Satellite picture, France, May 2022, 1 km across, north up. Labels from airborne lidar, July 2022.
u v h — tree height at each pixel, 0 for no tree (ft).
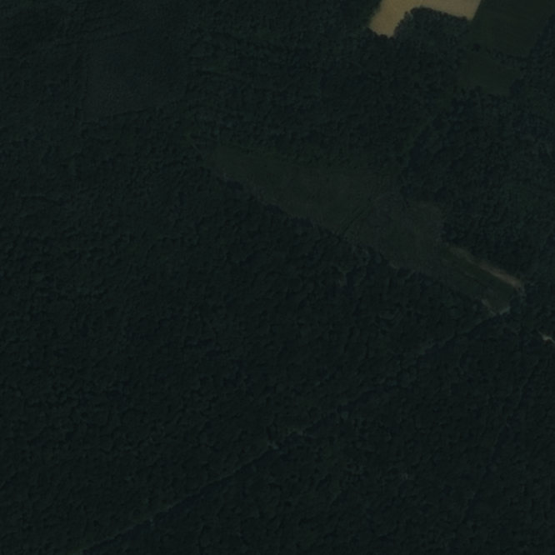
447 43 89
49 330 85
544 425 94
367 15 75
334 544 90
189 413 90
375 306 107
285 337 86
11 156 86
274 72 90
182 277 87
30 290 87
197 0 67
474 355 107
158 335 87
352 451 105
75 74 74
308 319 104
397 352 102
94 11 72
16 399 94
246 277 105
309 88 94
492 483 99
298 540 108
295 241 102
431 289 102
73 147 81
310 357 104
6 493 90
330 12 84
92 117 65
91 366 72
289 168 0
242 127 82
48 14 71
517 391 102
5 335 54
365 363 88
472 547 101
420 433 74
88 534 90
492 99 41
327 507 114
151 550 104
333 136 74
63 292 51
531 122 75
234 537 86
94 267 73
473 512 83
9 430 93
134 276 69
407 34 88
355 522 95
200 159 81
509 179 57
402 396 106
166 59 70
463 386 116
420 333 97
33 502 80
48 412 87
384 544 103
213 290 95
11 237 83
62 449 83
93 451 87
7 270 67
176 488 89
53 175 79
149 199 56
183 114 77
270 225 89
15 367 86
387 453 100
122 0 70
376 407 87
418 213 0
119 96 70
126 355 83
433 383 105
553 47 58
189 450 93
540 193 91
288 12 88
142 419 94
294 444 104
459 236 88
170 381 103
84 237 77
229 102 91
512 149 73
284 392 103
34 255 89
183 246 85
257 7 84
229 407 87
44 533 84
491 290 0
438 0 0
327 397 104
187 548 96
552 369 70
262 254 107
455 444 96
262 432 103
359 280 71
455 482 100
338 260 90
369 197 0
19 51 75
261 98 85
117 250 76
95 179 81
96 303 71
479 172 85
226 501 104
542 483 103
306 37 91
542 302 72
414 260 0
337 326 92
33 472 95
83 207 59
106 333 75
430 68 97
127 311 68
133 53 56
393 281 74
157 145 71
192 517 113
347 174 0
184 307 88
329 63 40
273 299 106
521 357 91
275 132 90
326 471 107
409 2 0
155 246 83
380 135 101
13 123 82
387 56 91
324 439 105
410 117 85
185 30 63
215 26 72
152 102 68
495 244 44
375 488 78
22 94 73
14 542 79
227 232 91
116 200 70
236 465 92
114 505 86
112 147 78
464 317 86
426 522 105
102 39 57
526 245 83
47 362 86
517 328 53
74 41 62
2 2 69
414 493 102
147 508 73
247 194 105
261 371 99
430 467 94
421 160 106
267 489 102
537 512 98
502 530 98
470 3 0
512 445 92
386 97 102
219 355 77
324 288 109
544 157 79
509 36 0
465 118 98
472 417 94
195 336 96
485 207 70
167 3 77
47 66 85
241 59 90
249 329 91
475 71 0
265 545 115
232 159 0
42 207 68
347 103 100
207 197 71
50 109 88
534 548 99
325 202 0
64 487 84
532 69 76
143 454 94
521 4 0
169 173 84
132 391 98
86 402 95
